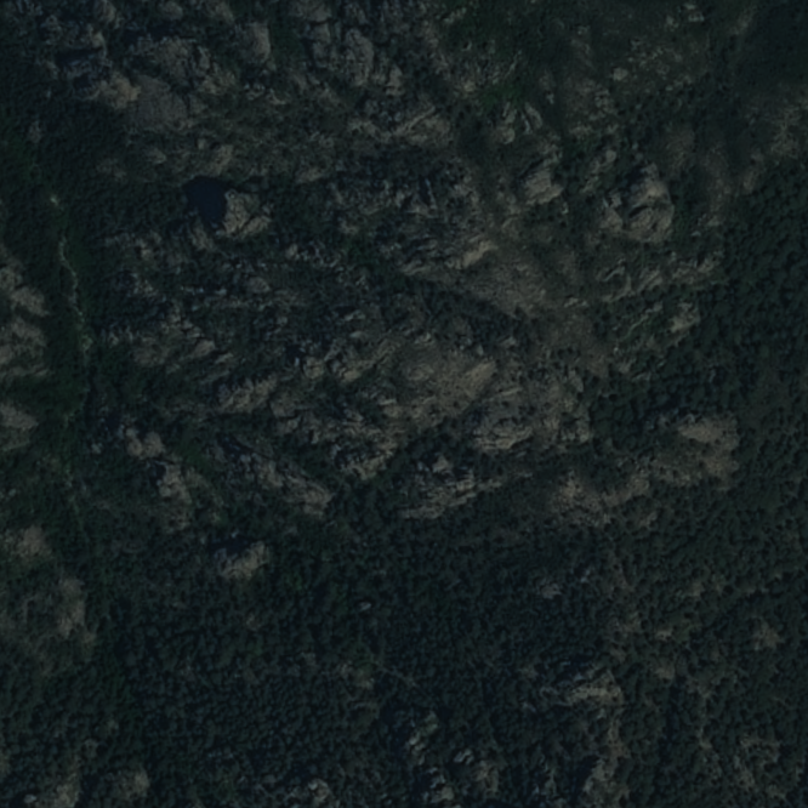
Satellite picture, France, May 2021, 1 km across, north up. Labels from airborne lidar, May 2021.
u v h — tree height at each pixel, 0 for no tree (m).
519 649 18
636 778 27
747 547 28
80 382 8
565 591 11
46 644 7
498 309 12
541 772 11
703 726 22
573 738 22
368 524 17
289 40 8
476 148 8
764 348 26
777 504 20
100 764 11
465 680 19
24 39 8
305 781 8
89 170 12
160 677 21
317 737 24
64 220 11
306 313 21
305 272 8
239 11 7
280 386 10
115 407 7
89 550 17
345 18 19
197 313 12
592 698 11
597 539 20
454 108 17
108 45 9
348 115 7
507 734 24
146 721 24
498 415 0
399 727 19
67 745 35
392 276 7
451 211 16
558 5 10
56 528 11
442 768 19
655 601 26
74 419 8
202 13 9
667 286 6
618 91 19
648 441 18
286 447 15
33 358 15
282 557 24
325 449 14
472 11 12
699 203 18
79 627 8
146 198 15
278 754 23
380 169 19
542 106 6
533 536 20
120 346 8
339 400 15
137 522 6
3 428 12
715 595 20
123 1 6
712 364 22
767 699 31
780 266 22
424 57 6
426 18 6
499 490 13
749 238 27
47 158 11
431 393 7
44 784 15
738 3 7
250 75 11
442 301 19
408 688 23
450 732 11
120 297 10
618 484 17
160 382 11
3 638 6
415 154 14
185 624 23
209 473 16
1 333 7
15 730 21
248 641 16
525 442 12
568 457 13
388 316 13
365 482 9
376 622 31
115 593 18
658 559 22
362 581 30
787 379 18
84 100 6
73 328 9
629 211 18
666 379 23
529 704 9
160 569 8
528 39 11
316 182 7
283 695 19
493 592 8
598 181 9
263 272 14
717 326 29
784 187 26
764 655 27
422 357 0
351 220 14
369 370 8
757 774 20
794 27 8
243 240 9
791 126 8
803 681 31
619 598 14
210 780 9
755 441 22
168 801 39
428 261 10
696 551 26
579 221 7
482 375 0
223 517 13
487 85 13
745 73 8
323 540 9
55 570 9
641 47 7
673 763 31
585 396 28
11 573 16
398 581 19
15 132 14
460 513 15
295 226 9
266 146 8
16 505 12
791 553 27
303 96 6
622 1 10
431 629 24
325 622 31
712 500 29
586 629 20
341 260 10
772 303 21
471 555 23
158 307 21
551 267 8
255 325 14
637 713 27
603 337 8
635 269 18
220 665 19
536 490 14
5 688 28
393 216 12
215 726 32
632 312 16
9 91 17
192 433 22
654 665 6
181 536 9
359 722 28
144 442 10
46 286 21
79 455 15
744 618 24
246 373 11
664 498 23
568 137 13
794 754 35
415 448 26
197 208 9
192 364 11
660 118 10
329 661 15
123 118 11
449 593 22
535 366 6
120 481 11
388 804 15
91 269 14
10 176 10
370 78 8
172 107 0
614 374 22
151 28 6
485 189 7
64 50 10
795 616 30
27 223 10
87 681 26
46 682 8
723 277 7
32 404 10
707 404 21
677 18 7
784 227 30
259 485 10
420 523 21
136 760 29
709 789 6
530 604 9
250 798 23
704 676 23
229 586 14
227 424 28
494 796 15
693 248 14
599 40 7
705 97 24
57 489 18
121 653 19
